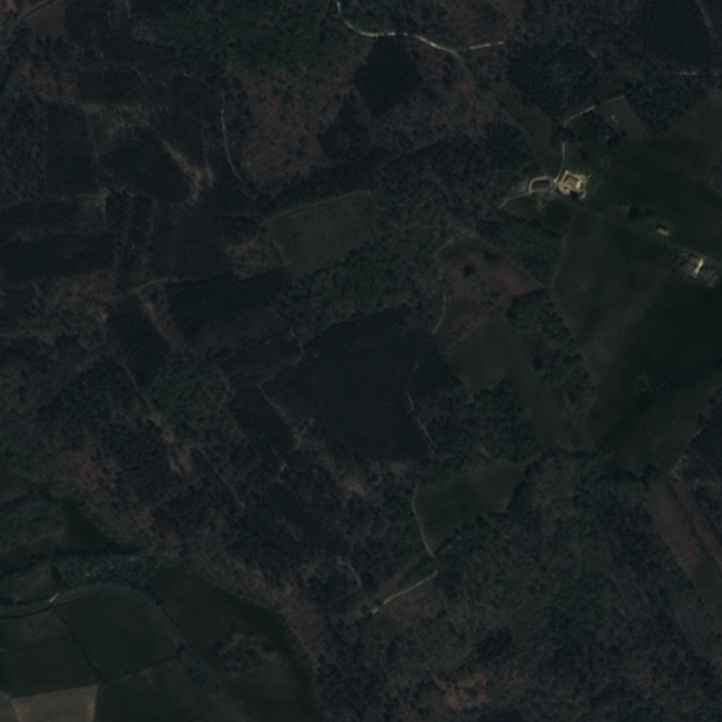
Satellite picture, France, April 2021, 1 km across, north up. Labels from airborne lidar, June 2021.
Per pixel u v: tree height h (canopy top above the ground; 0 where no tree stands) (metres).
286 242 0
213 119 8
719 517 24
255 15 9
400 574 16
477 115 13
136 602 0
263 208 15
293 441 7
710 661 11
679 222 0
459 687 18
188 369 13
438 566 9
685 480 8
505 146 13
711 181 5
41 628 0
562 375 14
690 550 0
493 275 0
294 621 0
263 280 9
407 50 9
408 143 11
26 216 8
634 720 11
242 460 23
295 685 0
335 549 10
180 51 7
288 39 16
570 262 0
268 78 11
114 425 7
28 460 17
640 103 17
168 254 7
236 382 9
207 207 8
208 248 8
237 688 0
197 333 20
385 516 11
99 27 7
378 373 8
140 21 11
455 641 16
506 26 10
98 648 0
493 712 8
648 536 8
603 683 10
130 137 6
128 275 6
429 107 7
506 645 10
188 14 15
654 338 0
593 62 15
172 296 9
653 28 15
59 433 8
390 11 13
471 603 11
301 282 9
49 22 0
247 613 0
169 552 13
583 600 19
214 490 14
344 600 28
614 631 11
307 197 17
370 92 10
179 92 9
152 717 0
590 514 24
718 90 12
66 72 0
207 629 0
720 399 11
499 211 10
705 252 0
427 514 0
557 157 0
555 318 14
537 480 13
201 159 8
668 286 0
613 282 0
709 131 0
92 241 6
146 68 7
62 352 9
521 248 10
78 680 0
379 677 11
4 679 0
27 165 10
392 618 0
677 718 15
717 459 9
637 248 0
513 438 10
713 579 0
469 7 7
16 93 12
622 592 15
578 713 14
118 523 17
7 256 10
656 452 0
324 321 11
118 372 23
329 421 7
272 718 0
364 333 10
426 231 9
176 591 0
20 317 8
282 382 8
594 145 0
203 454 9
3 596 0
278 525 23
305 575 14
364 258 14
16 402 11
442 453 16
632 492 19
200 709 0
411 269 12
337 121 9
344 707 14
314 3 14
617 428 0
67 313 11
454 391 10
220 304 10
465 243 0
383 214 6
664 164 0
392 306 8
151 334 10
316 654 0
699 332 0
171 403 16
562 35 17
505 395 12
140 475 20
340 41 21
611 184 0
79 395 24
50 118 7
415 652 21
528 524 17
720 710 12
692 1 15
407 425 10
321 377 9
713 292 0
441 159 11
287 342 9
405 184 7
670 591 14
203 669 11
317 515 19
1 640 0
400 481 8
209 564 17
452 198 9
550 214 0
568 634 20
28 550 0
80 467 11
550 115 15
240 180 7
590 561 18
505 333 0
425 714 16
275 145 18
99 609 0
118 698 0
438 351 9
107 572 18
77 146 7
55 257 7
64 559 25
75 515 0
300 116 7
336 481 6
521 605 12
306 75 10
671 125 6
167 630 0
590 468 22
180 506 20
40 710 0
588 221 0
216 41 10
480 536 8
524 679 15
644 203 0
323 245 0
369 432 8
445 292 8
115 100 9
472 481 0
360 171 13
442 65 7
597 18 6
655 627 13
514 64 15
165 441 22
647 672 8
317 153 0
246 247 10
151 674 0
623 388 0
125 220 13
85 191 7
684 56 14
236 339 0
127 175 8
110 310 7
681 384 0
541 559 20
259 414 7
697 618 15
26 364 24
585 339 0
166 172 8
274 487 10
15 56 17
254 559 17
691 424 0
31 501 15
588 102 12
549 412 0
